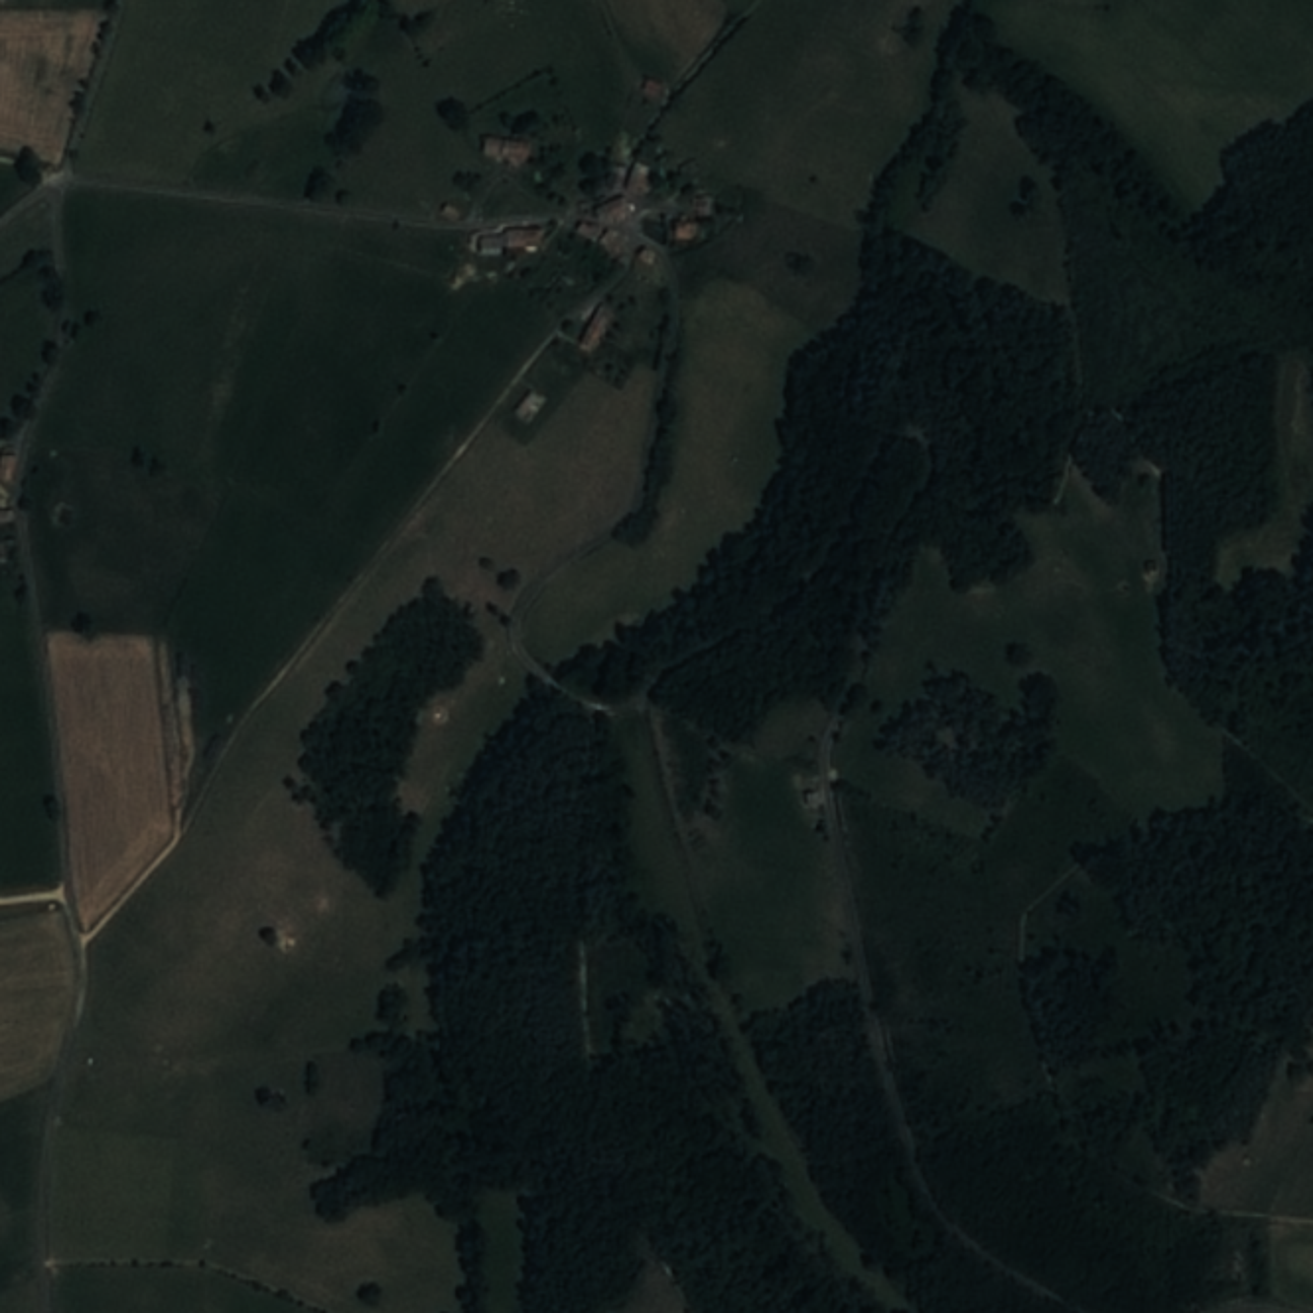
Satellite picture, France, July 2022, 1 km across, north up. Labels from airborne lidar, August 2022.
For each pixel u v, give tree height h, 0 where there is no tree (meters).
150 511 0
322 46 18
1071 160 18
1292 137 19
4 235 0
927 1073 7
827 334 10
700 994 32
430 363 0
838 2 0
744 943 0
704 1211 21
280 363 0
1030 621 0
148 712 0
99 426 0
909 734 17
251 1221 0
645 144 5
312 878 0
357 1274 0
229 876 0
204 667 0
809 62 0
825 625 21
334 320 0
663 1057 23
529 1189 13
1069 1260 11
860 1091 12
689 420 0
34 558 0
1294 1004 17
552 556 0
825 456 17
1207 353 6
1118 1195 7
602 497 0
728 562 22
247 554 0
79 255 0
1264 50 0
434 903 20
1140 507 0
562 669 11
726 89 0
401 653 13
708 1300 16
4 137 0
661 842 0
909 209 0
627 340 0
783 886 0
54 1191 0
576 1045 18
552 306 5
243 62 0
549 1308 17
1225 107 0
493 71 0
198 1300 0
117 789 0
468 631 17
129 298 0
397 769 17
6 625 0
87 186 0
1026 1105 6
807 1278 22
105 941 0
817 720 0
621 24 0
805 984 0
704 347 0
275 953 0
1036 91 7
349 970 0
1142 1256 6
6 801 0
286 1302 7
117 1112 0
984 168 0
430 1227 0
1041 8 0
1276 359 13
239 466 0
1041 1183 10
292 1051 0
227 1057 0
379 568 0
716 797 12
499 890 12
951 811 0
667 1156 20
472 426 0
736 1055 33
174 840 0
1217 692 16
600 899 28
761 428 0
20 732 0
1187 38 0
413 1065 21
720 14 0
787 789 0
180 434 0
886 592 20
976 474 17
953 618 0
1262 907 11
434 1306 0
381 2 20
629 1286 11
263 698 0
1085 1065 16
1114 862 21
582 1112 16
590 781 21
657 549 0
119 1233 0
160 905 0
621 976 0
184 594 0
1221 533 15
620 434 0
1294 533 0
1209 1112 12
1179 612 22
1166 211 16
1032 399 18
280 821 0
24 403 16
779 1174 33
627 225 0
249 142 0
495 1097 12
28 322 0
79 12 0
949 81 13
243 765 0
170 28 0
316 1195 14
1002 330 23
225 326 0
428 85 0
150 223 0
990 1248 11
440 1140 20
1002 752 16
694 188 7
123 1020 0
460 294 0
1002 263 0
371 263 0
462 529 0
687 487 0
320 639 0
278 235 0
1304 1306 0
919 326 20
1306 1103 0
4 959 0
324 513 0
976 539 23
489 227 0
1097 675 0
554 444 0
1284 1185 0
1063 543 0
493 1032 13
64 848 0
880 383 29
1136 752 0
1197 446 10
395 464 0
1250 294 23
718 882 0
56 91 0
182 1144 0
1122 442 17
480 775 13
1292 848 15
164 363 0
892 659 0
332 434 0
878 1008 11
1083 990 18
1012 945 0
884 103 0
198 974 0
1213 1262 11
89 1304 0
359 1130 0
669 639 24
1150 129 0
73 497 0
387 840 15
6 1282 0
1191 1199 11
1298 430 0
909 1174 16
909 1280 9
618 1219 17
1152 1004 0
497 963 23
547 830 20
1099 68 0
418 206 0
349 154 18
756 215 0
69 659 0
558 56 0
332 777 18
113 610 0
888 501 20
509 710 0
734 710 13
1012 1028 0
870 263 21
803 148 0
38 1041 0
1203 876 22
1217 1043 12
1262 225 19
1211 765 0
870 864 0
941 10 0
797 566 21
